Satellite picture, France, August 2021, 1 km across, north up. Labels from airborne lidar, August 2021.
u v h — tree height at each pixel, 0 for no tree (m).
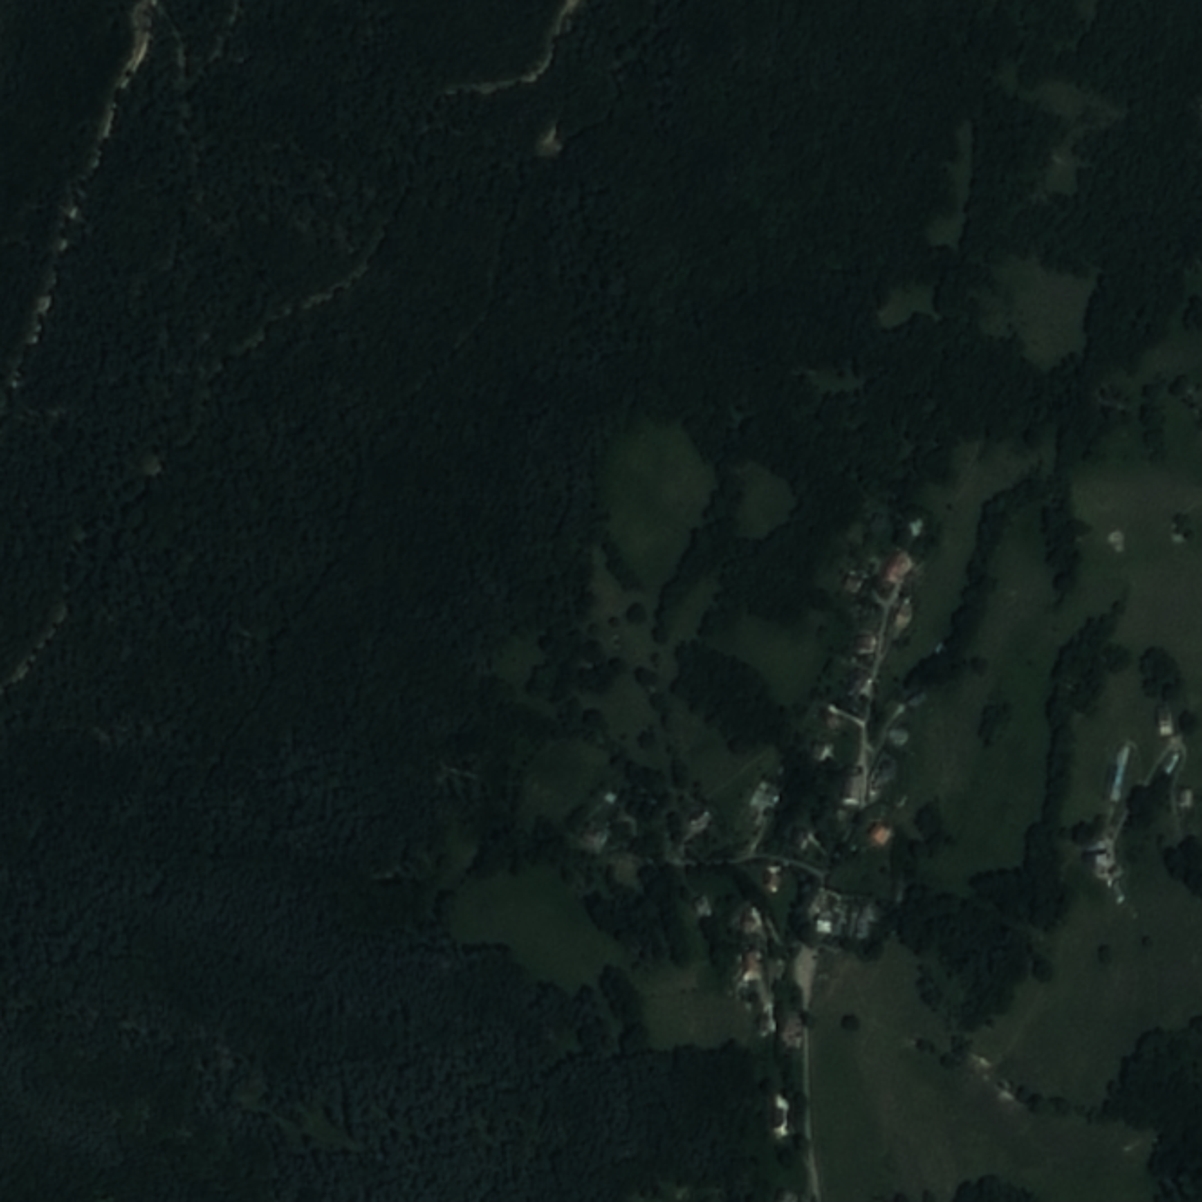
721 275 22
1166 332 11
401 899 25
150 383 21
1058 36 8
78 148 19
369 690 23
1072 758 18
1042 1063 0
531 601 20
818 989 0
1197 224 10
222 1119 22
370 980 27
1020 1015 0
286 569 17
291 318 12
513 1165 8
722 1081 24
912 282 20
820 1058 0
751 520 0
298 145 15
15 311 12
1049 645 0
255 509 16
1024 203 17
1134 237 23
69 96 16
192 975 23
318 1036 20
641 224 15
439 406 11
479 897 0
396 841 24
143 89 16
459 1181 21
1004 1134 0
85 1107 10
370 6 25
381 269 14
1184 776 0
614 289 28
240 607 22
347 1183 24
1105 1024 0
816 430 24
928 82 21
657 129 17
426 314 17
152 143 18
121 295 19
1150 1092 21
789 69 10
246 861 27
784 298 23
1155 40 15
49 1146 21
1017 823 0
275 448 20
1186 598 0
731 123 19
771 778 7
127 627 9
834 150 20
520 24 13
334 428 18
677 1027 0
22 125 14
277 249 12
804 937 21
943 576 0
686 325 22
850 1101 0
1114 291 24
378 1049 20
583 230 9
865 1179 0
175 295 18
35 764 13
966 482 0
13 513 18
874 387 17
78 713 7
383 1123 16
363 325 12
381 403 12
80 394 22
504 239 10
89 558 8
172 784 20
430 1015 27
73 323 18
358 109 21
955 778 0
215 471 14
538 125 10
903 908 6
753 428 22
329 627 14
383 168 14
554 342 9
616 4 18
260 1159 20
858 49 14
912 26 13
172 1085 15
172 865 24
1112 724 0
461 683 25
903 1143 0
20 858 15
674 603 21
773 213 24
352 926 24
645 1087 28
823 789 10
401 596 19
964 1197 17
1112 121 7
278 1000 25
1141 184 18
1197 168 13
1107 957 14
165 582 26
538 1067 20
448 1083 12
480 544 20
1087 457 10
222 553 18
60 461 9
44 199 18
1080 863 0
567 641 14
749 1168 23
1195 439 0
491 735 22
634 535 0
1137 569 0
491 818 7
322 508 9
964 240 9
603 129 16
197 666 7
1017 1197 27
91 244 17
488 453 11
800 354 20
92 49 16
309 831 33
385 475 21
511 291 12
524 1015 26
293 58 14
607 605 0
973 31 15
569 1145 18
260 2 19
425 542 14
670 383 21
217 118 17
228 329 7
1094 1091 0
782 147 19
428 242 17
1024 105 16
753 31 18
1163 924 0
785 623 15
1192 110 11
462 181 16
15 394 23
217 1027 19
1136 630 0
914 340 21
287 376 11
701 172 20
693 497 0
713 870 7
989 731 14
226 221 14
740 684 21
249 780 14
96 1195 25
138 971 24
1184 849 14
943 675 20
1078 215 17
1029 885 28
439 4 9
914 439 17
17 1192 31
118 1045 15
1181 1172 7
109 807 17
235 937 27
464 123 18
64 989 20
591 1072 24
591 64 17
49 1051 13
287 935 31
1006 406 17
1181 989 0
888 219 22
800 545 20
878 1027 0
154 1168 15
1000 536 26
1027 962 15
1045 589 0
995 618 0
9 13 9
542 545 18
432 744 26
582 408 20
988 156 15
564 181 17
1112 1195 0
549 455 17
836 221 23
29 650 13
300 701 20
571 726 11
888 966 0
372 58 20
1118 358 20
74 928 19
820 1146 0
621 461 0
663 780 20
